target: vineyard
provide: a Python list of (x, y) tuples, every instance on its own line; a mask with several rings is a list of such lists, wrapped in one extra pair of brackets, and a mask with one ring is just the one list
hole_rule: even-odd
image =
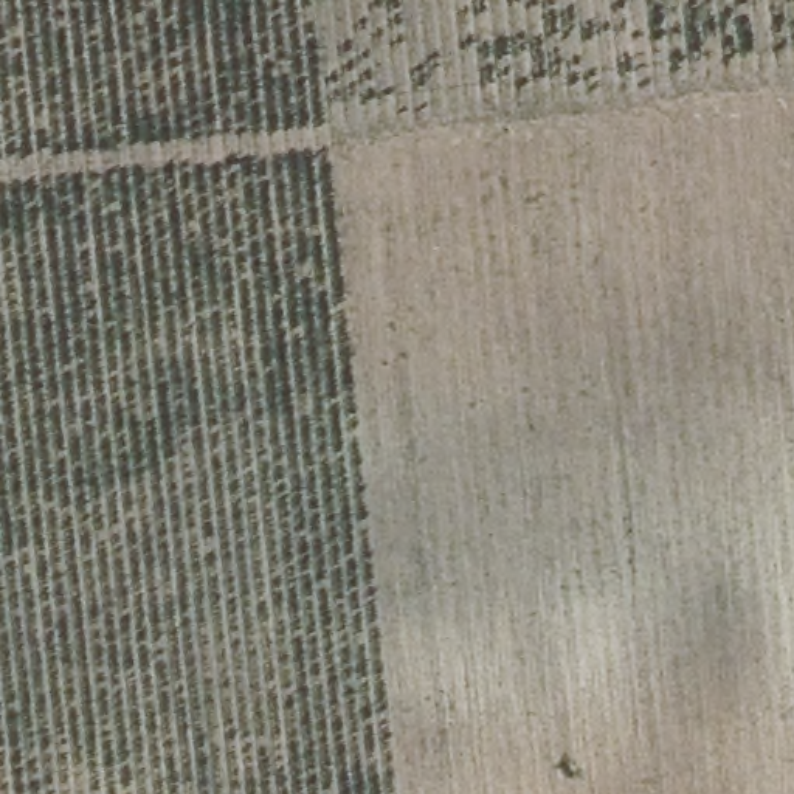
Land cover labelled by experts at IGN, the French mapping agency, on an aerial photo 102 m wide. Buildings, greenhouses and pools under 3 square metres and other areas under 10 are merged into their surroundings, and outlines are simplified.
[(0, 794), (794, 794), (794, 0), (0, 0)]

